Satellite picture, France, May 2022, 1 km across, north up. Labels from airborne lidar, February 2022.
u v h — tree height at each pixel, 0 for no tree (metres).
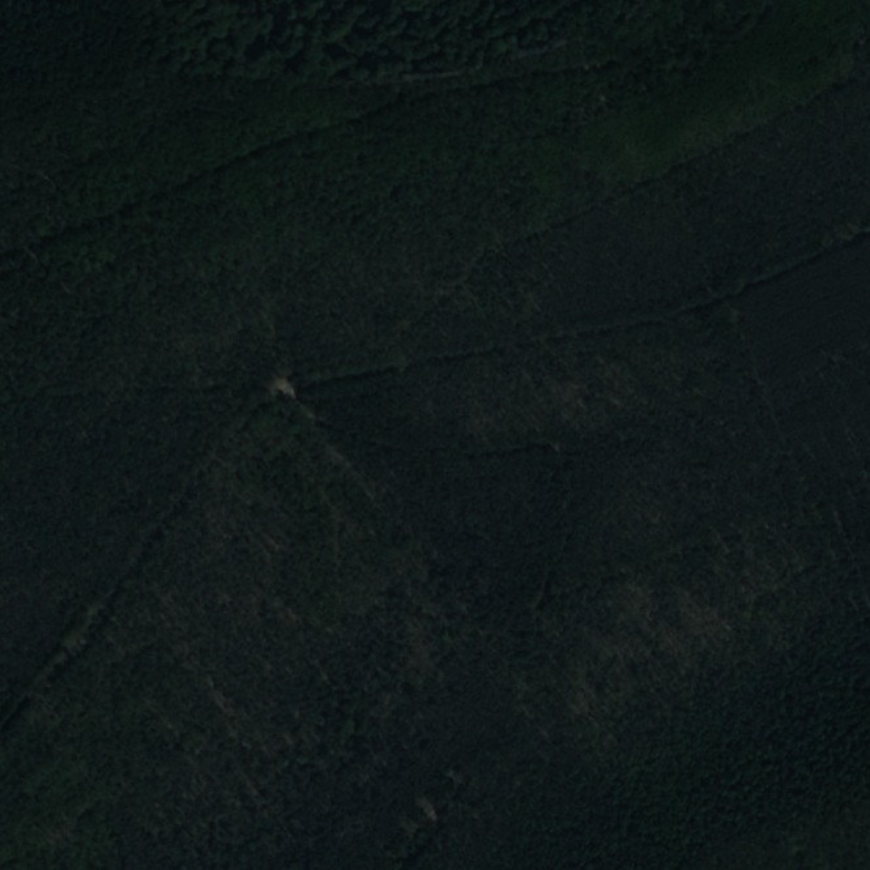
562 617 27
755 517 26
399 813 23
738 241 23
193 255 25
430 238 27
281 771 29
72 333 29
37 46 28
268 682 28
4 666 10
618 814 25
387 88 14
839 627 26
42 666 12
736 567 27
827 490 19
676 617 29
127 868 31
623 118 0
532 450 26
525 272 19
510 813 24
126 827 28
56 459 26
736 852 17
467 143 24
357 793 27
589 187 16
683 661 26
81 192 26
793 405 16
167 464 27
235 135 25
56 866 26
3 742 25
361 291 26
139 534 25
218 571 27
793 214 22
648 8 33
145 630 27
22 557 27
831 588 29
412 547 24
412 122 27
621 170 0
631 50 30
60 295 28
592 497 28
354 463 26
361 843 24
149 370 24
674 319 23
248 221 22
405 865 9
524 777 24
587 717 24
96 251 28
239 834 28
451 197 27
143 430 25
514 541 24
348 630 29
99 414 27
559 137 15
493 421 26
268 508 27
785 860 15
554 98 25
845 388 15
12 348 29
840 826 20
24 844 27
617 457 28
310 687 27
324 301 25
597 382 26
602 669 28
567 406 23
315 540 24
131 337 23
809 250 11
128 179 24
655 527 26
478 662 25
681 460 23
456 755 23
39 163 23
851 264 15
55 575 23
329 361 23
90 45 30
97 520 26
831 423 19
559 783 26
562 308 21
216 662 29
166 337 23
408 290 25
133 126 26
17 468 28
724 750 29
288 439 27
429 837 7
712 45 28
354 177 26
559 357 26
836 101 23
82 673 27
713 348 23
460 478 26
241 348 25
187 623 29
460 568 26
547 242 18
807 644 28
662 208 21
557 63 25
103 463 28
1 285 32
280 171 25
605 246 21
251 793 34
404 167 26
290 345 27
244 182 22
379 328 25
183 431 26
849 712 30
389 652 30
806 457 19
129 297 24
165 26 36
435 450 24
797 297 14
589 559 24
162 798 30
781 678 32
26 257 30
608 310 26
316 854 17
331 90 24
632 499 22
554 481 30
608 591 26
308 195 28
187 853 27
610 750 28
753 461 26
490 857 25
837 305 14
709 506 25
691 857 21
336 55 38
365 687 30
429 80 23
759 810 28
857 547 20
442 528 27
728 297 17
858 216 19
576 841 26
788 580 29
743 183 21
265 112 25
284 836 19
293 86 23
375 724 24
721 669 26
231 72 27
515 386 22
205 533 25
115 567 26
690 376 25
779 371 16
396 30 34
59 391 21
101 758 25
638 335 24
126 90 30
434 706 25
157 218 28
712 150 20
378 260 21
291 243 24
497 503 25
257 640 26
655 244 21
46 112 21
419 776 23
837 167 18
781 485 28
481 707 26
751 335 17
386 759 23
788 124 21
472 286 15
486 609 28
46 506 27
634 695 24
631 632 25
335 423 28
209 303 24
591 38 31
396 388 21
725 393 25
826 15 19
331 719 28
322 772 27
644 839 27
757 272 28
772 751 29
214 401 25
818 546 24
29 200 27
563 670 26
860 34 22
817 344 15
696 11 34
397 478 27
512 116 23
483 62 23
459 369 23
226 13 44
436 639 25
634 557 26
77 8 32
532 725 22
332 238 23
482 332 20
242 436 27
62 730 28
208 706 27
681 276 23
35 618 23
